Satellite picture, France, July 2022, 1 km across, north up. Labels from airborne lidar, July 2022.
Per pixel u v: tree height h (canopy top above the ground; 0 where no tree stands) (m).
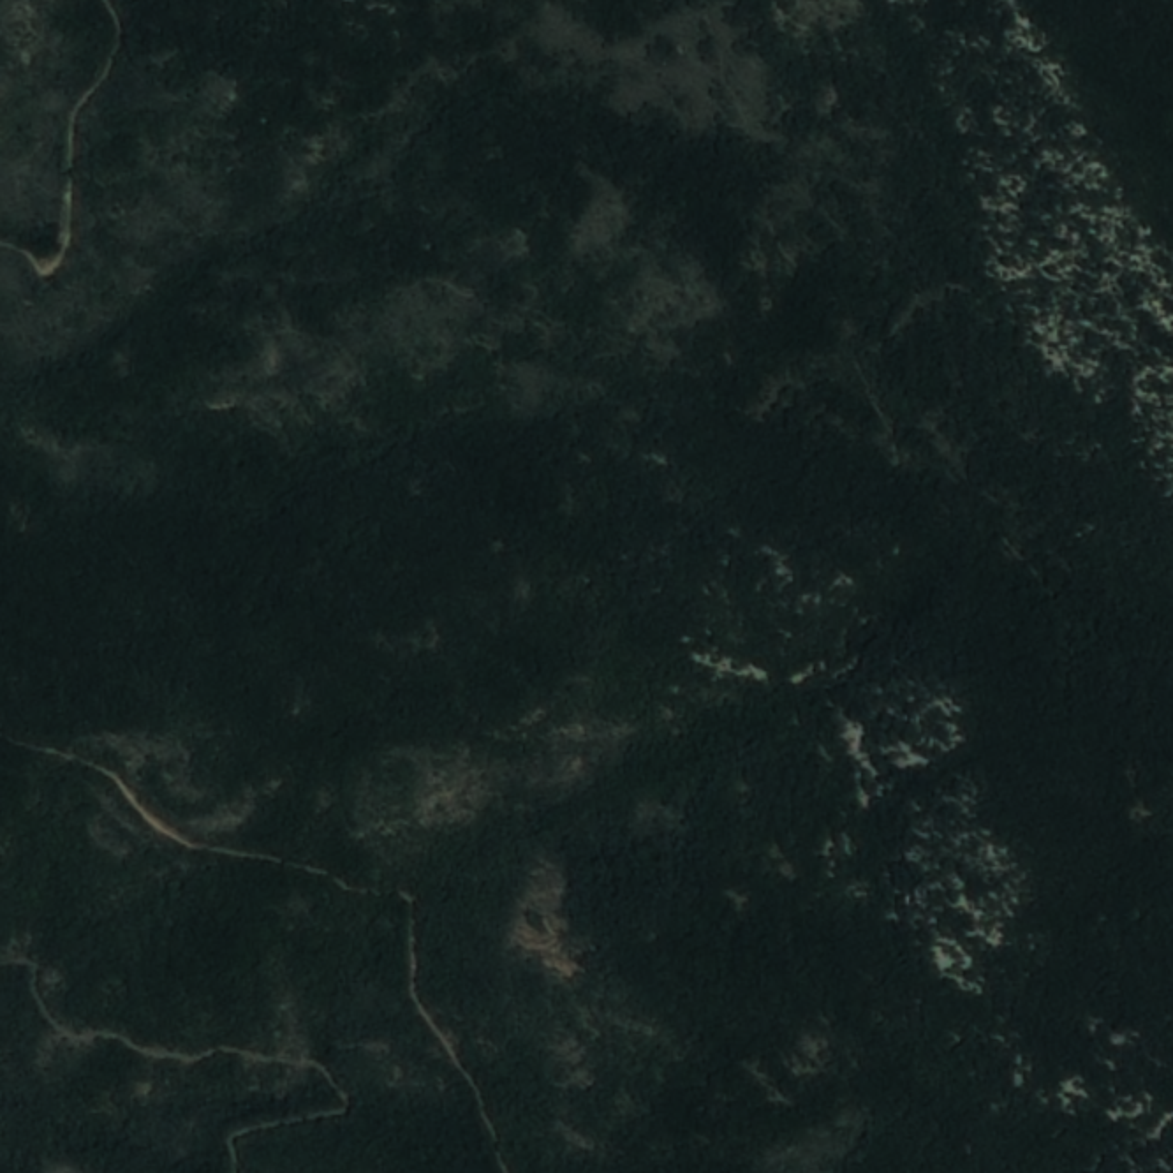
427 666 9
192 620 7
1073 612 6
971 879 7
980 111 6
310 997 8
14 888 7
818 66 7
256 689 10
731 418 8
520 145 8
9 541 8
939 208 10
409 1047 6
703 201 7
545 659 9
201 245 9
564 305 9
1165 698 9
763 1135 8
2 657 10
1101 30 5
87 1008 6
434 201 7
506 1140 6
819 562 8
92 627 7
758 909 6
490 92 9
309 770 14
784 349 7
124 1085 7
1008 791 5
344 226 10
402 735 7
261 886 12
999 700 8
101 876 7
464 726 7
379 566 9
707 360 8
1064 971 7
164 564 8
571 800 7
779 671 9
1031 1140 7
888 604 11
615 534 7
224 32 9
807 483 13
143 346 8
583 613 6
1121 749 9
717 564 6
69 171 7
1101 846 9
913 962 9
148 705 7
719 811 11
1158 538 9
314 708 8
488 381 7
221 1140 7
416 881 10
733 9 9
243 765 7
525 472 8
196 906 13
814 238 6
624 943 7
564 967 0
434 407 7
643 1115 7
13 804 9
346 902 6
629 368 7
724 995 7
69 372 10
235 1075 7
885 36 7
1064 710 9
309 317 8
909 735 7
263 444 9
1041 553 7
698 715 9
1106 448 7
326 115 7
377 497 8
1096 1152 7
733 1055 9
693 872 8
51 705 6
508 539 6
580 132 8
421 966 6
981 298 6
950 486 7
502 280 8
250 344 7
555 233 8
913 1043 9
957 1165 10
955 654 6
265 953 7
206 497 10
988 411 9
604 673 9
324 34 9
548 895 0
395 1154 12
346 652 8
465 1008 6
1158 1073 7
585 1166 11
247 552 9
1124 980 6
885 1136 10
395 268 6
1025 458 8
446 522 10
